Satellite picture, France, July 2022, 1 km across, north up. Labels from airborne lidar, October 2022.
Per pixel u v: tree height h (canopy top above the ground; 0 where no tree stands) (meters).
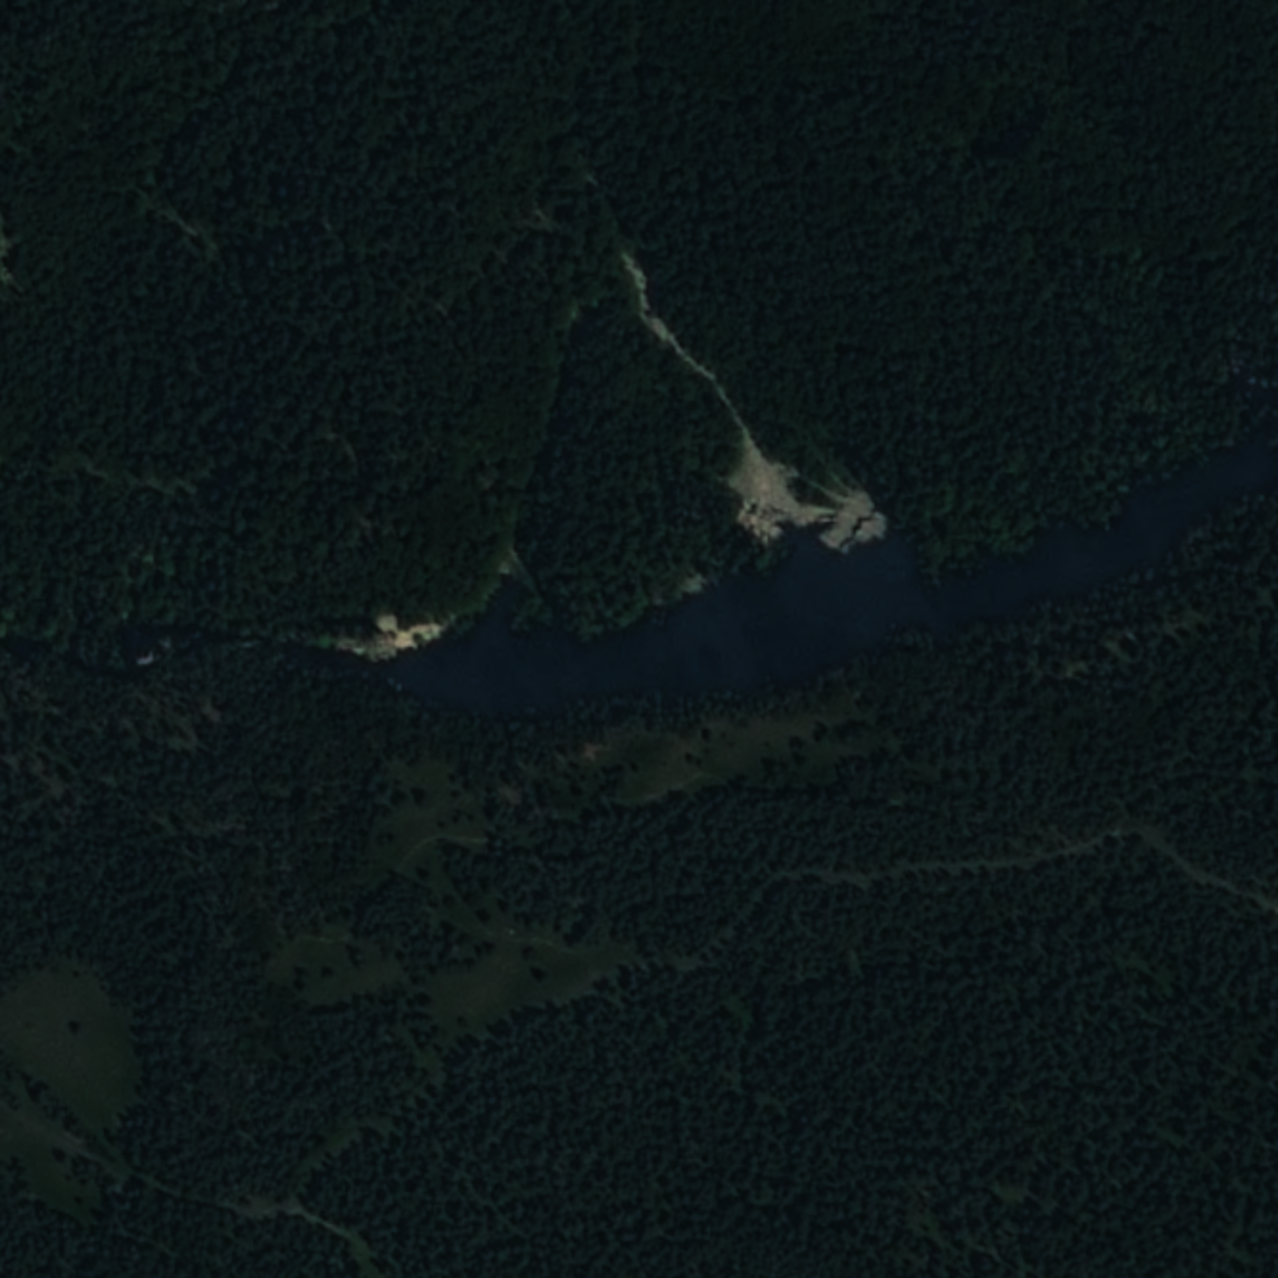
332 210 30
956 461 22
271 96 32
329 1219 20
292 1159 23
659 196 37
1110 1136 27
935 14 25
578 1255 27
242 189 26
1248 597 24
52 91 27
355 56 24
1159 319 28
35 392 19
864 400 28
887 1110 28
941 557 15
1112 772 24
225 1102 15
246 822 23
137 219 18
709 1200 25
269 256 26
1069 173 40
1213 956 30
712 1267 24
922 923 22
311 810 24
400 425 22
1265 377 32
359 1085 24
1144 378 29
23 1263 26
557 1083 13
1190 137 39
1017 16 35
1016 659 28
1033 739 24
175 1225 11
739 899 11
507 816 27
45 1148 0
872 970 13
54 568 26
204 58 28
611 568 31
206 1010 17
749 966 22
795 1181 20
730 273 34
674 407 24
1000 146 7
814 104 35
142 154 31
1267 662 13
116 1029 0
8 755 30
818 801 26
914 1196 11
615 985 17
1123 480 15
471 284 28
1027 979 32
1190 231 38
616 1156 27
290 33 29
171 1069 24
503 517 33
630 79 35
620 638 25
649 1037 21
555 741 19
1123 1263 13
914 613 0
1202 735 33
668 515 26
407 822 0
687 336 14
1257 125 36
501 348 32
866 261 37
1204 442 22
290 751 22
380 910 25
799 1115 18
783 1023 12
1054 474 29
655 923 21
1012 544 31
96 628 24
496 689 0
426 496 36
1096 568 0
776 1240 24
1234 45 31
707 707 24
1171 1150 26
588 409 25
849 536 0
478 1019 0
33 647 11
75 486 14
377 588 21
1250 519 19
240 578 24
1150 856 11
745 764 0
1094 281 31
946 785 11
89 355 16
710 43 10
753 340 26
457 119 21
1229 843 14
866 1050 21
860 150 32
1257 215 30
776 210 31
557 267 17
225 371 33
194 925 26
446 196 27
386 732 14
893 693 21
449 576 24
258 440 36
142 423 20
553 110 20
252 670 22
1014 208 35
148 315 18
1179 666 21
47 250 17
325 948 0
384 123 34
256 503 30
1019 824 22
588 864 28
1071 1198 24
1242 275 33
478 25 30
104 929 23
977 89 27
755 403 10
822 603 0
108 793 27
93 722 23
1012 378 28
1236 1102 8
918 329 30
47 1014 0
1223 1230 26
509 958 0
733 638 0
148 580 17
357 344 21
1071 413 23
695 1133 13
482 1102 29
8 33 32
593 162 21
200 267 32
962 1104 12
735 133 24
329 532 17
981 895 23
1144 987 11
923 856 24
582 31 31
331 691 21
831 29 8
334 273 16
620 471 34
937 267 31
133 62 27
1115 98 12
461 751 16
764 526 0
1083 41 31
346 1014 24
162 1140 25
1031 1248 20
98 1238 18
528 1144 24
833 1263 27
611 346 24
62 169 37
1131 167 34
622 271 7
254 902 20
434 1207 11
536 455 16
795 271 36
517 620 26
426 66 16
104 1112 0
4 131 24
